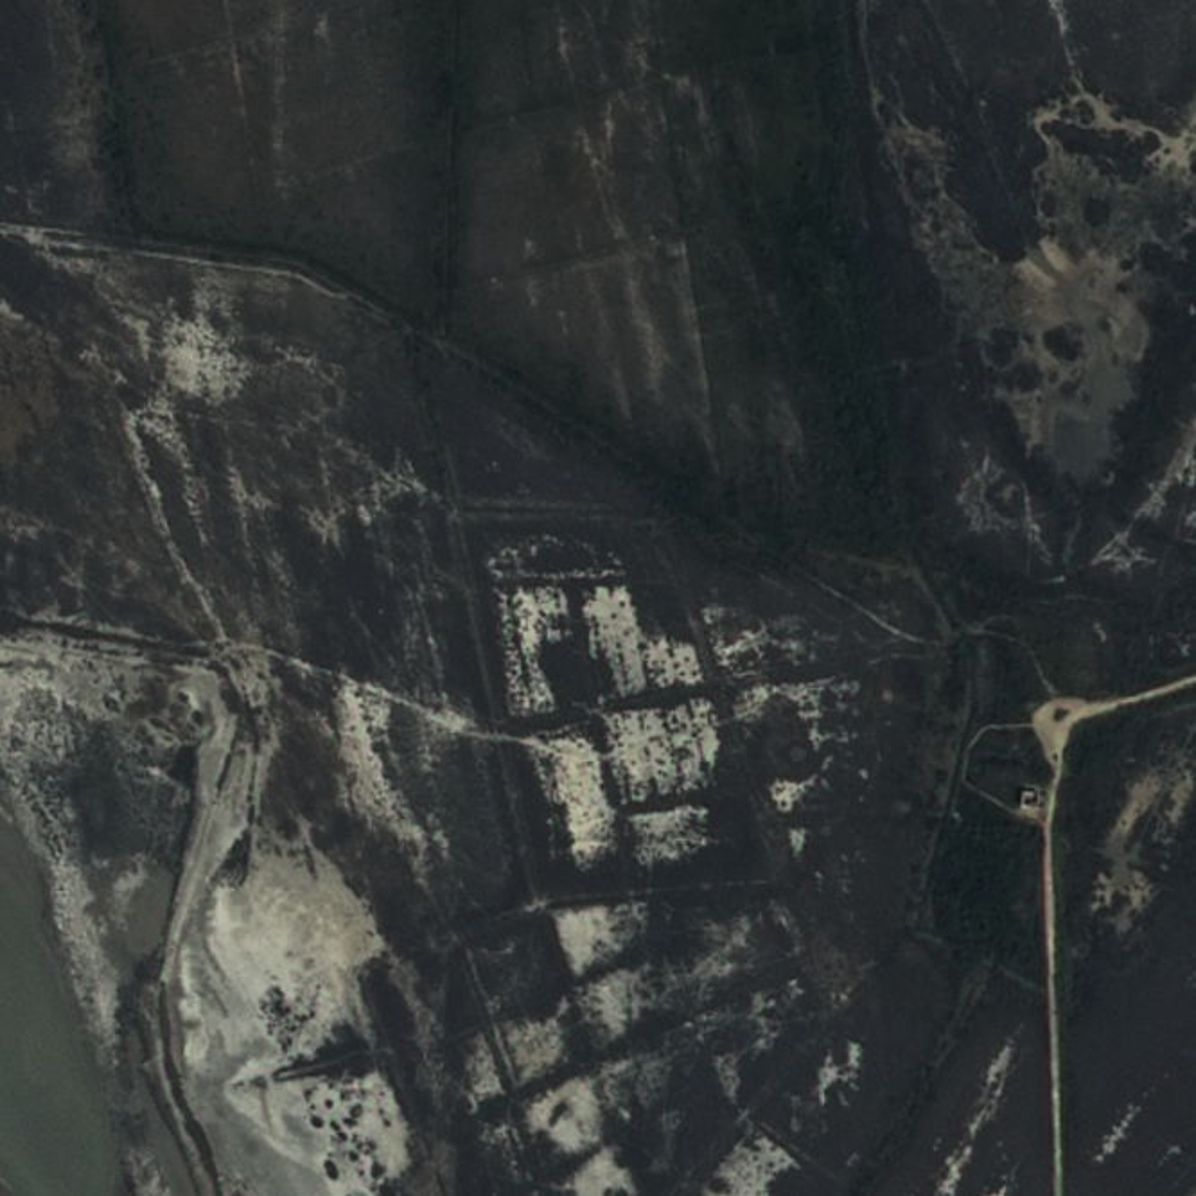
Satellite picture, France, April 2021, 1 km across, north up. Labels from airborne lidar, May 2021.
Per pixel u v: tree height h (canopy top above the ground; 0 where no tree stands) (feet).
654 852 0
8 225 0
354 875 0
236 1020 0
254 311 0
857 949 0
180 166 0
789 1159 0
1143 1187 0
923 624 0
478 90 0
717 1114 0
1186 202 0
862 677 0
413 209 0
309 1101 0
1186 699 23
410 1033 0
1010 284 0
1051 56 0
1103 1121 0
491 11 0
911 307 0
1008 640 0
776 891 0
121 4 0
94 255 0
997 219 0
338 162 0
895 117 0
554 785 0
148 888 0
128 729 0
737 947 0
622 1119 0
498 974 0
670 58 0
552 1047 0
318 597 0
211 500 0
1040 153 0
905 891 0
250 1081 0
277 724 0
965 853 19
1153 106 0
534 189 0
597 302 0
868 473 24
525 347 0
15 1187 0
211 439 0
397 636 0
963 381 0
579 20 0
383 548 0
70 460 0
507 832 0
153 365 0
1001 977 18
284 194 0
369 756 0
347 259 0
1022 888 20
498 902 0
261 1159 0
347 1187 0
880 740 0
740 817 0
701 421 0
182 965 0
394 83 0
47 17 0
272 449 0
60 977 0
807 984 0
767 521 0
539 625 0
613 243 0
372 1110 0
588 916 0
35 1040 0
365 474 0
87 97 0
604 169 0
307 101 0
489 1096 0
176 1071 0
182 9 0
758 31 0
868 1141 0
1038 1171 0
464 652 0
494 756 0
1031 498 0
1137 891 0
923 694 0
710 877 0
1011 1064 0
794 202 0
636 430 0
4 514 0
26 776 0
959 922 19
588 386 0
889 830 0
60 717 0
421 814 0
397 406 0
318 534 0
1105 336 0
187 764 0
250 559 0
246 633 0
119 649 0
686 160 0
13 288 0
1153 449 0
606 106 0
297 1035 0
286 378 0
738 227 0
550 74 0
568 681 0
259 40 0
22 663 0
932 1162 0
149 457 0
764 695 0
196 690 0
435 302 0
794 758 0
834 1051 0
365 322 0
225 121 0
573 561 0
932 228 0
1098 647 0
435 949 0
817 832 0
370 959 0
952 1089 0
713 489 0
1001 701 0
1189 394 0
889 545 0
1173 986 0
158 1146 0
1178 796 0
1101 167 0
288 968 0
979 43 0
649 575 0
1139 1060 0
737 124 0
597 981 0
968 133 0
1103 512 0
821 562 0
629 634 0
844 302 21
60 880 0
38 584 0
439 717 0
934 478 0
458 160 0
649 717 0
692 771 0
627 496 0
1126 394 0
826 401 0
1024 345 0
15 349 0
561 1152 0
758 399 0
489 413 0
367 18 0
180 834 0
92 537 0
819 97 0
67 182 0
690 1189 0
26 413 0
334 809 0
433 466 0
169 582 0
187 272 0
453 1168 0
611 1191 0
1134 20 0
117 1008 0
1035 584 0
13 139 0
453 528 0
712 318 0
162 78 0
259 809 0
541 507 0
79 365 0
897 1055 0
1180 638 0
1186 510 0
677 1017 0
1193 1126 0
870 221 0
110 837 0
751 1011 0
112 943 0
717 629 0
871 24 0
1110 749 22
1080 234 0
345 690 0
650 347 0
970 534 0
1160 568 0
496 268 0
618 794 0
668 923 0
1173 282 0
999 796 0
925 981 0
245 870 0
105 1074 0
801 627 0
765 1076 0
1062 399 0
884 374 0
